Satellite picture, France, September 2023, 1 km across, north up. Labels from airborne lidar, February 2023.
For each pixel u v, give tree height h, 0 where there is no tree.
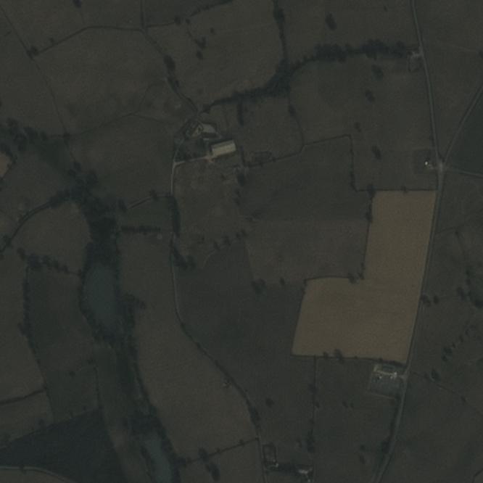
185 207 0
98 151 0
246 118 0
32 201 0
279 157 0
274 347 0
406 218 0
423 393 0
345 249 0
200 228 0
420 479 0
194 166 0
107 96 0
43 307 0
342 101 0
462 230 0
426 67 0
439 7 0
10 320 0
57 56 0
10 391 0
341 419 0
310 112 0
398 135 0
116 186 0
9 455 0
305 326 0
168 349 0
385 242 0
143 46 0
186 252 0
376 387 0
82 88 0
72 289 0
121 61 0
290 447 0
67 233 0
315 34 0
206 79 0
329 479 0
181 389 0
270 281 0
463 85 0
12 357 0
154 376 0
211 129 0
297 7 0
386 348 0
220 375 0
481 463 0
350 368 0
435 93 0
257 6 0
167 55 0
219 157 0
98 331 13
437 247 0
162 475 0
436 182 0
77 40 0
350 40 0
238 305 0
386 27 0
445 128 0
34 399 0
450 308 0
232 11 0
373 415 0
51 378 0
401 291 0
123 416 0
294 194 0
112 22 0
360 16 0
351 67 0
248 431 0
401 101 0
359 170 0
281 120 0
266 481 0
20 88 0
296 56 0
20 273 0
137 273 0
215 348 0
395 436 0
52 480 0
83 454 0
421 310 0
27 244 0
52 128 0
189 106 0
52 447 0
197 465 0
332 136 0
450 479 0
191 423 0
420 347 0
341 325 0
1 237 0
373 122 0
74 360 0
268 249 0
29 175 0
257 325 0
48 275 0
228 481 0
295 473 8
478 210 0
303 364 0
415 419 0
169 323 0
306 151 0
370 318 0
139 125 0
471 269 0
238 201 9
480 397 0
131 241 0
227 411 0
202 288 0
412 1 0
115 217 0
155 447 0
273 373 0
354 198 0
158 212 0
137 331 0
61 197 17
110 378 0
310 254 0
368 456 0
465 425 0
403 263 0
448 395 0
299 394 0
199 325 0
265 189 0
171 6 0
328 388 0
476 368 0
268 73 0
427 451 0
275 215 0
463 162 0
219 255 0
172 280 0
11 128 18
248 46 0
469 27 0
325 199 0
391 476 0
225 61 0
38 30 0
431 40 0
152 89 0
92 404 0
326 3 0
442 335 0
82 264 0
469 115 0
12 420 0
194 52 0
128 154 0
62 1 0
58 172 0
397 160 0
